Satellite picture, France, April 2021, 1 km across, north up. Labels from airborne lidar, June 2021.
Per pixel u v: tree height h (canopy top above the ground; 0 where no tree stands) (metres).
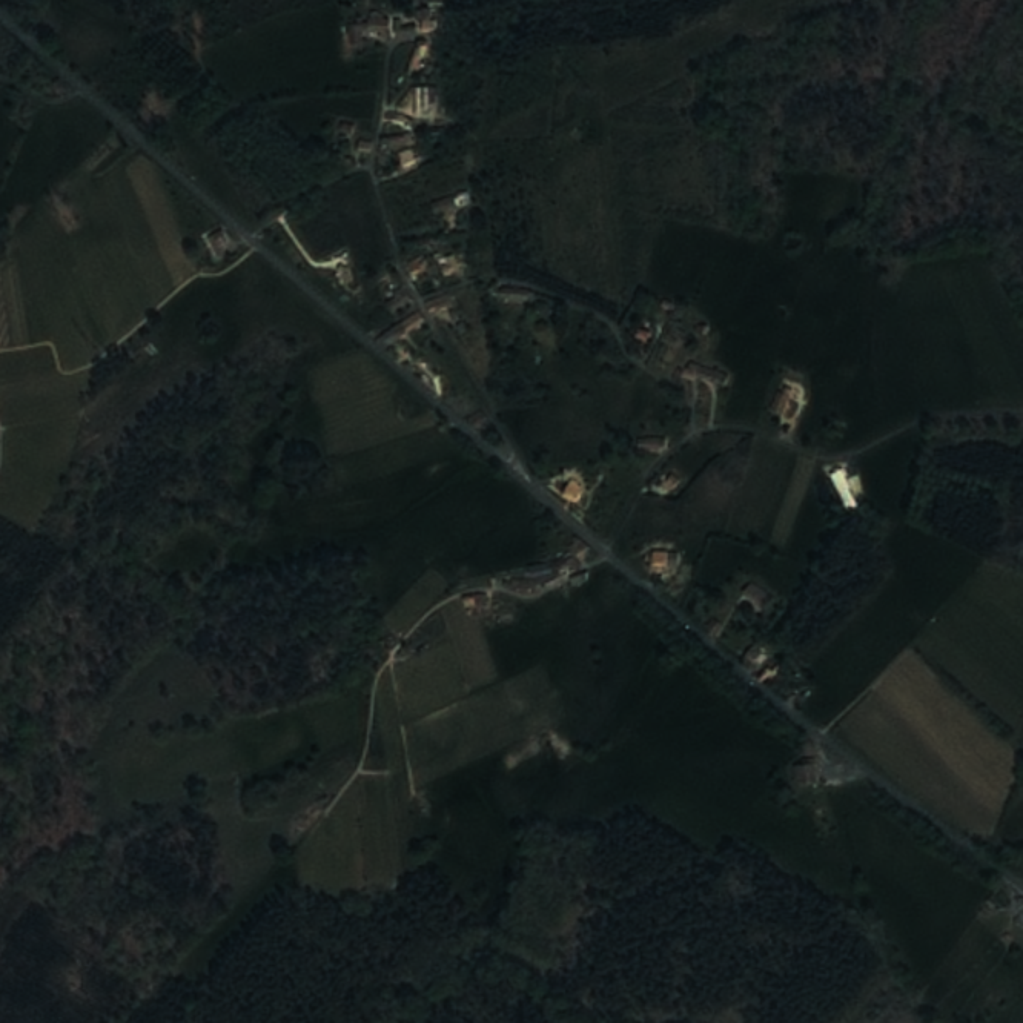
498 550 0
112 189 0
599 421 0
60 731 24
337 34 0
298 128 0
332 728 0
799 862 0
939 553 0
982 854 17
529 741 0
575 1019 25
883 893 0
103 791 0
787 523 0
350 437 0
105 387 18
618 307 8
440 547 0
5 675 11
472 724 0
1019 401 0
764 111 16
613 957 18
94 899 14
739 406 0
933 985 0
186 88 13
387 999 19
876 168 12
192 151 0
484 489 0
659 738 0
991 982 0
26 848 12
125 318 0
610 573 0
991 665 0
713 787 0
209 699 0
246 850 0
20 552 6
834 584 15
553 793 0
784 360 0
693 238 0
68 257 0
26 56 19
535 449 0
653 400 0
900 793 0
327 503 0
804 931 20
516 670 0
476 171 6
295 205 15
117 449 11
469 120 8
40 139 0
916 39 20
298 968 19
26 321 0
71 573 16
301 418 0
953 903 0
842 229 17
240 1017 18
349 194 0
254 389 17
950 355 0
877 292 0
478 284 6
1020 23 15
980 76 9
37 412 0
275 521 0
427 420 0
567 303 9
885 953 19
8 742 7
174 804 0
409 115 0
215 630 7
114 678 17
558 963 16
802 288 0
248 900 0
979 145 12
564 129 10
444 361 0
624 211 0
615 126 0
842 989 19
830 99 23
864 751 0
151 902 14
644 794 0
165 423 22
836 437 12
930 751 0
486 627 0
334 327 0
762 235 17
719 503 0
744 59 16
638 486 0
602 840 18
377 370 0
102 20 0
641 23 13
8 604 10
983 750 0
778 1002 6
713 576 0
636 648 0
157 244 0
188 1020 18
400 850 0
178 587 18
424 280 7
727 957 21
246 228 0
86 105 0
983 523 18
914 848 0
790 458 0
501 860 0
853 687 0
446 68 10
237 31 6
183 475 18
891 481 0
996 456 10
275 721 0
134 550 24
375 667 11
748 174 17
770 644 14
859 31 8
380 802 0
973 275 0
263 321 0
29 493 0
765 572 0
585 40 17
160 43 12
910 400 0
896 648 0
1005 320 0
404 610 0
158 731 10
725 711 0
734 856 17
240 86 0
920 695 0
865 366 0
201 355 0
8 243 12
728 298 0
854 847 0
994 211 10
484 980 20
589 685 0
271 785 6
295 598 28
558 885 17
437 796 0
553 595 0
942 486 20
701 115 11
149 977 6
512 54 13
